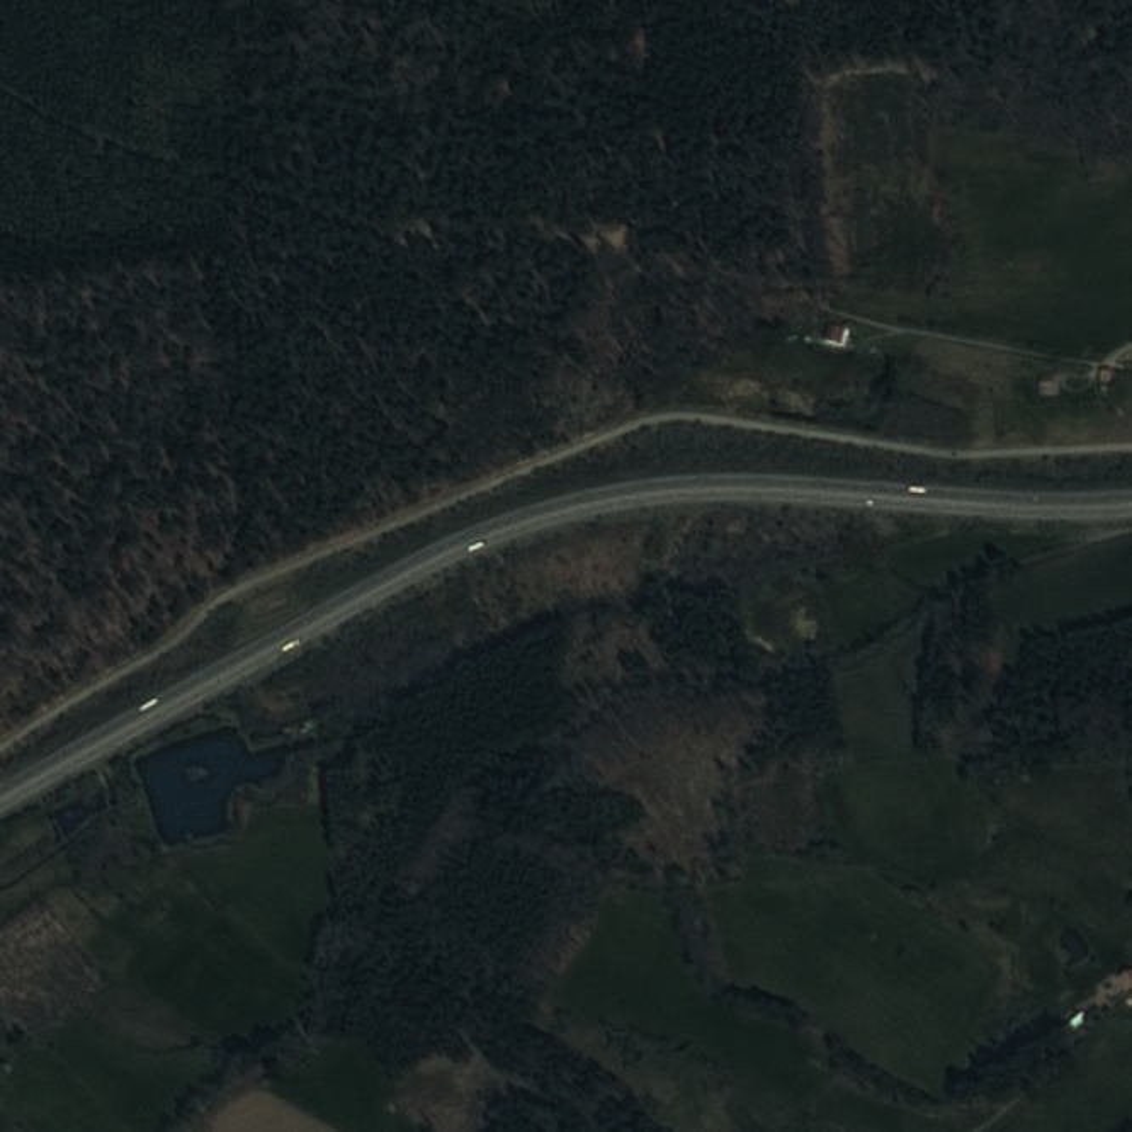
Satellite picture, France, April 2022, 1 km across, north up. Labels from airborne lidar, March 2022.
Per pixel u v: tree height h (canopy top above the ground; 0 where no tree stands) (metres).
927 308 0
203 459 27
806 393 0
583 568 0
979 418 0
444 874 26
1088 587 0
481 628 8
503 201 32
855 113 0
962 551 0
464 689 27
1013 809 0
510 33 13
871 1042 0
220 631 12
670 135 29
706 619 30
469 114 21
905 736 0
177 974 0
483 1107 0
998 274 0
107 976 6
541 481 13
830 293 9
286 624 0
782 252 26
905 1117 0
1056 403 0
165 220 24
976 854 0
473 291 29
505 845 26
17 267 19
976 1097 29
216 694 0
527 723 29
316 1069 0
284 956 0
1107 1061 0
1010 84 28
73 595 26
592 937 25
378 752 28
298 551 21
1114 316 0
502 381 27
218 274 24
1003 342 0
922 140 0
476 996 18
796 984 0
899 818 0
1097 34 26
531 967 27
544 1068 22
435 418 7
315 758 19
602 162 33
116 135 20
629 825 11
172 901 0
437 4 19
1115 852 0
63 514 30
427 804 27
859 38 25
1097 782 0
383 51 11
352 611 0
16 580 29
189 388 25
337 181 34
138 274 26
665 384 23
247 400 18
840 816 0
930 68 24
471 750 26
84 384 26
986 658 20
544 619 6
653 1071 0
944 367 0
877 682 0
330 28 19
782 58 18
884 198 0
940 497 0
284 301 34
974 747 6
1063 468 10
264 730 10
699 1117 0
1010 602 0
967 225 0
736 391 0
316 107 15
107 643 32
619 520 0
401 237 14
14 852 0
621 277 31
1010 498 0
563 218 11
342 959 26
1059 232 0
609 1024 8
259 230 22
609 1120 24
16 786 0
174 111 20
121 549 13
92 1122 0
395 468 32
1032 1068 28
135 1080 0
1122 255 0
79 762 0
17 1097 0
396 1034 21
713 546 8
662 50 23
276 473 31
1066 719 22
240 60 16
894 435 8
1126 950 0
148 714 0
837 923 0
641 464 12
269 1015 0
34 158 22
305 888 0
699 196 32
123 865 14
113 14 19
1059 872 0
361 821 27
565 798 21
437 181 34
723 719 28
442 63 26
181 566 8
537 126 31
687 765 0
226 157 26
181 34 18
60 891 0
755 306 29
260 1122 0
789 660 11
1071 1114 0
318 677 13
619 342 27
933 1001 0
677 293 28
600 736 27
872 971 0
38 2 22
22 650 32
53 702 20
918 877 0
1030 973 0
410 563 0
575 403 16
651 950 0
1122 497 0
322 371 34
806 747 20
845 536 10
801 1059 0
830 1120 0
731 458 11
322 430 32
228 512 28
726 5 26
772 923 0
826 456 10
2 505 29
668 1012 0
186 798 0
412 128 15
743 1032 0
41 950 0
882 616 0
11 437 28
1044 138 25
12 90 22
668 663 34
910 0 24
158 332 30
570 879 23
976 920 0
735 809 16
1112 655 24
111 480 21
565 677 15
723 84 23
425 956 24
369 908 22
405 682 17
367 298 34
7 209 22
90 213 22
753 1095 0
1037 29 31
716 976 21
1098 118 26
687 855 0
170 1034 0
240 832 14
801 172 29
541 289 35
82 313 26
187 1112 18
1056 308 0
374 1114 0
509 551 8
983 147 0
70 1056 0
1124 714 21
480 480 24
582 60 13
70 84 21
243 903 0
